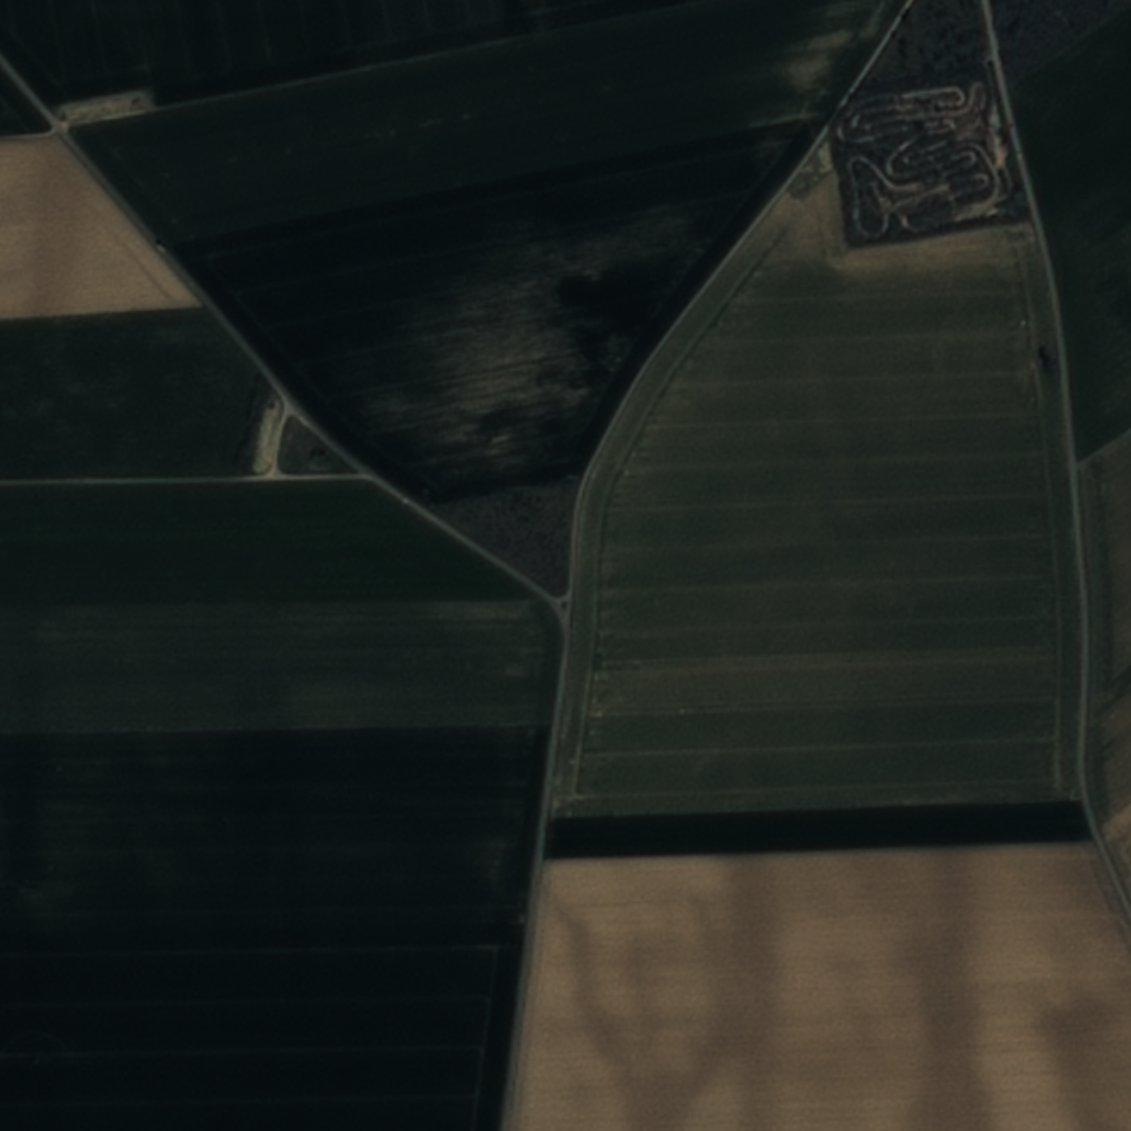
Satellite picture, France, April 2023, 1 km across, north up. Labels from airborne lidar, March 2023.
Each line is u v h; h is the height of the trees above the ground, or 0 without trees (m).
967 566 0
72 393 0
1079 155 0
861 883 0
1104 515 0
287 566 0
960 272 0
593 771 0
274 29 0
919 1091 0
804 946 0
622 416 0
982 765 0
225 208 0
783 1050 0
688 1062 0
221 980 0
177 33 0
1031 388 0
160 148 0
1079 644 0
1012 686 0
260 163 0
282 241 0
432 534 0
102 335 0
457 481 0
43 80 0
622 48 0
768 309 0
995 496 0
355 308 0
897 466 0
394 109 0
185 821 0
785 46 0
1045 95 0
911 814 0
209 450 0
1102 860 0
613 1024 0
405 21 0
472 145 0
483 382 0
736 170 0
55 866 0
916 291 0
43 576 0
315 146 0
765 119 0
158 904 0
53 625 0
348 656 0
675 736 0
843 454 0
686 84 0
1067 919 0
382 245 0
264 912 0
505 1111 0
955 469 0
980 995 0
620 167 0
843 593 0
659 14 0
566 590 0
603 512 0
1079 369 0
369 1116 0
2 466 0
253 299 0
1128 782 0
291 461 0
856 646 0
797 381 0
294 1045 0
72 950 0
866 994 0
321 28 0
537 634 0
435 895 0
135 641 0
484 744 0
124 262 0
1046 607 0
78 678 0
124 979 0
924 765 0
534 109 0
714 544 0
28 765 0
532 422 0
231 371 0
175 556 0
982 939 0
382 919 0
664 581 0
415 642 0
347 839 0
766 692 0
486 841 0
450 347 0
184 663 0
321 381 0
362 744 0
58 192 0
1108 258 0
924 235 7
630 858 0
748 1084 0
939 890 0
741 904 0
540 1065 0
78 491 0
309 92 0
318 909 0
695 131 0
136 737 0
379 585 0
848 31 0
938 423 0
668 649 0
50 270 0
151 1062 0
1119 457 0
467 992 0
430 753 0
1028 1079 0
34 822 0
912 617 0
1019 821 0
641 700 0
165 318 0
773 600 0
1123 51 0
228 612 0
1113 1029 0
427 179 0
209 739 0
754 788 0
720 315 0
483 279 0
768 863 0
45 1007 0
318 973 0
